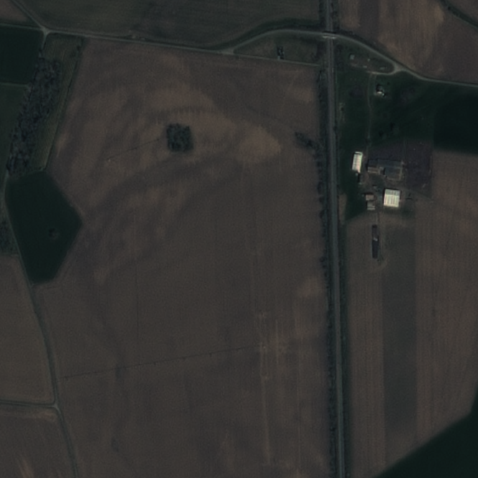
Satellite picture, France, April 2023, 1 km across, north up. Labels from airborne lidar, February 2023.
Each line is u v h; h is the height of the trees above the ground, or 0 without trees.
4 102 0
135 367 0
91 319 0
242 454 0
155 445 0
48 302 0
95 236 0
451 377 0
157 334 0
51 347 0
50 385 0
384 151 0
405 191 0
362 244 0
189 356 0
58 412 0
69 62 0
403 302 0
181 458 0
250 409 0
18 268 0
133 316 0
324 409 0
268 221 0
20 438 0
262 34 0
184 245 0
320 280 0
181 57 0
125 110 0
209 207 0
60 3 0
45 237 0
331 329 11
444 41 0
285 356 0
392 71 0
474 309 0
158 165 0
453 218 0
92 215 0
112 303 0
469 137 0
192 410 0
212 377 0
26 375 0
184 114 0
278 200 0
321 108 0
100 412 0
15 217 0
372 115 0
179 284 0
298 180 0
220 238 0
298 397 0
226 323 0
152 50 0
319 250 0
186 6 0
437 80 0
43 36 0
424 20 0
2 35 0
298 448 0
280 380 0
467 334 0
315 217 0
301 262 0
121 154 0
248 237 0
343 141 0
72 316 0
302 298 0
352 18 0
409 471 0
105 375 0
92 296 0
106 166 0
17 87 0
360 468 0
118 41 0
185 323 0
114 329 0
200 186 0
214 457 0
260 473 0
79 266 0
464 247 0
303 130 0
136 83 0
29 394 0
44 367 0
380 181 0
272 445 0
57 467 0
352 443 0
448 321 0
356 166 0
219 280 0
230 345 0
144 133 0
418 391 0
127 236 0
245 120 0
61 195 0
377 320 0
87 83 0
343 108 0
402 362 0
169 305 0
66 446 0
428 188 0
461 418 0
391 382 0
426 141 0
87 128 0
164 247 0
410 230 0
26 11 0
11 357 0
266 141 0
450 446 0
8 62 0
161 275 0
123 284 0
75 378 0
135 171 0
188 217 0
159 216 0
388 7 0
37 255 0
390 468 0
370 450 0
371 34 0
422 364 0
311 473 0
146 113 0
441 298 0
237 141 0
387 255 0
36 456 0
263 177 0
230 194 0
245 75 0
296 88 0
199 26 0
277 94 0
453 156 0
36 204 0
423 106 0
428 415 0
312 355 0
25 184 0
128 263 0
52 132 0
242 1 0
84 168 0
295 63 0
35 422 0
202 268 0
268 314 0
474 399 0
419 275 0
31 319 0
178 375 0
